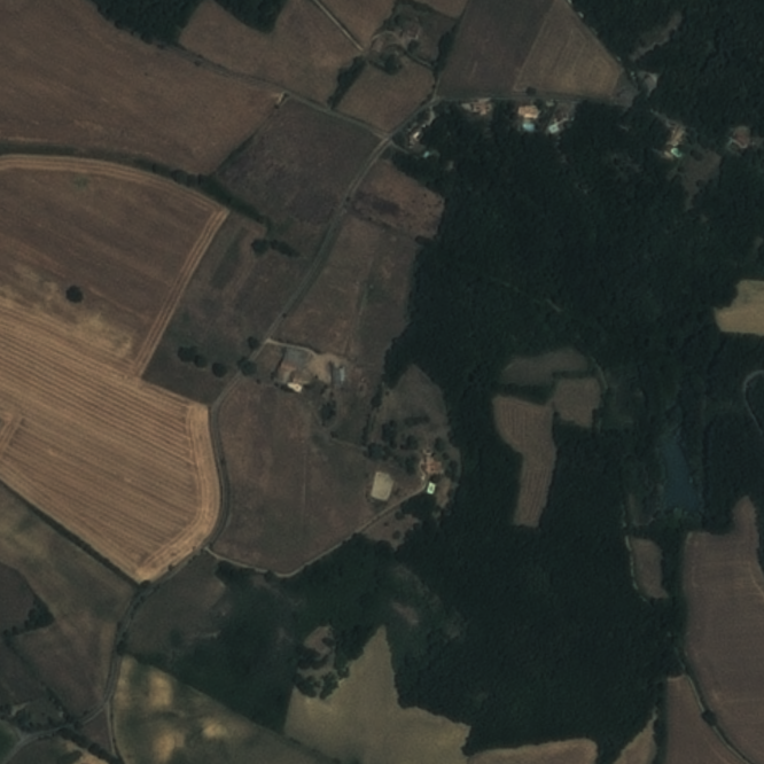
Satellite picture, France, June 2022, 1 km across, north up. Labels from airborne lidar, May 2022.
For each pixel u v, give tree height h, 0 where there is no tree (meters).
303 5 0
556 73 0
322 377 0
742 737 0
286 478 0
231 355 0
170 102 0
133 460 0
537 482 0
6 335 0
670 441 0
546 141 16
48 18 0
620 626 17
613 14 12
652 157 20
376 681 0
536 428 0
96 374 0
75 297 18
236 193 0
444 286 17
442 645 10
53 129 0
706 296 17
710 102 17
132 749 0
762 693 0
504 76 0
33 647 0
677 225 7
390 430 14
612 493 15
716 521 18
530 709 15
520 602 15
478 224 15
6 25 0
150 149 0
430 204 0
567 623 17
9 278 0
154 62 0
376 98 0
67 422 0
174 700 0
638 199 12
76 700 0
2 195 0
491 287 16
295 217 0
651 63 14
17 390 0
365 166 0
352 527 0
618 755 18
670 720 0
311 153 0
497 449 17
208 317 0
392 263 0
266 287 0
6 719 6
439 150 11
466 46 0
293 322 0
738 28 23
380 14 0
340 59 0
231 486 0
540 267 18
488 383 15
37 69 0
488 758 0
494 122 10
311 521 0
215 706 0
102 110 0
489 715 13
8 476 0
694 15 24
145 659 6
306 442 0
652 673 16
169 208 0
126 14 15
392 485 0
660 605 19
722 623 0
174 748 0
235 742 0
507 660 15
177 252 0
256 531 0
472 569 20
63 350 0
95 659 0
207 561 0
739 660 0
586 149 13
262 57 0
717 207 15
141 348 0
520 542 20
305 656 9
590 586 15
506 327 11
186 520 0
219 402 0
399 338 11
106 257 0
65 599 0
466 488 15
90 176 0
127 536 0
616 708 13
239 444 0
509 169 10
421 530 14
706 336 17
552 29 0
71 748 0
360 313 0
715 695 0
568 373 8
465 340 16
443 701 18
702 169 0
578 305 13
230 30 0
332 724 0
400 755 0
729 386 16
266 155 0
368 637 19
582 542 20
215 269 0
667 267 14
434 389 0
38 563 0
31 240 0
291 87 0
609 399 12
